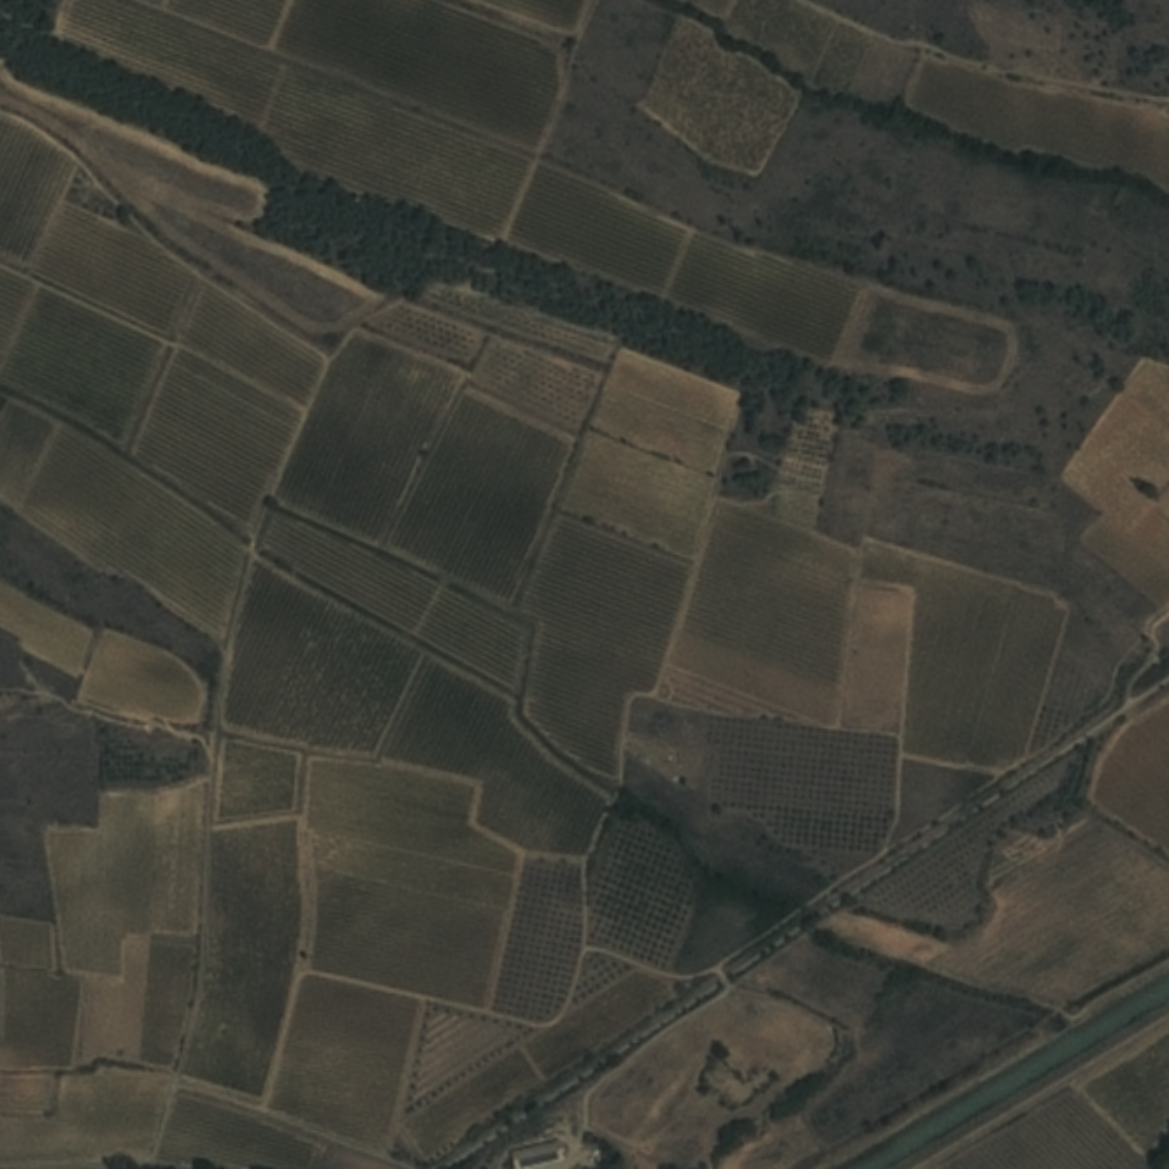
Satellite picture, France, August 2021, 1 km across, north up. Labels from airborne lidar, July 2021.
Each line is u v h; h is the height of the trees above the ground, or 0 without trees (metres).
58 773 0
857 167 0
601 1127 0
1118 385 11
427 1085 0
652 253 0
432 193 0
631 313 12
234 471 0
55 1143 0
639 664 0
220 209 0
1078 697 0
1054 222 0
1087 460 0
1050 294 11
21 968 0
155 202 0
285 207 9
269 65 0
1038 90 0
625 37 0
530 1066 0
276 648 0
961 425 0
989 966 0
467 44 0
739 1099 0
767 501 0
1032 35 0
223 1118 0
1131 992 0
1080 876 0
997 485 0
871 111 8
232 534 0
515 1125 9
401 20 0
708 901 0
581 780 0
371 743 0
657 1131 0
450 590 0
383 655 0
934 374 0
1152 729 0
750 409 13
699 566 0
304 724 0
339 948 0
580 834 0
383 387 0
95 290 0
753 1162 0
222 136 12
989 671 0
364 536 0
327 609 0
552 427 0
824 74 0
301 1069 0
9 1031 0
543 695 0
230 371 0
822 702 0
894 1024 0
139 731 0
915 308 0
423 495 0
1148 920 0
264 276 0
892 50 0
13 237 0
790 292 0
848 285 0
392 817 0
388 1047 0
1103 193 0
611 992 0
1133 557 0
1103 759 0
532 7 0
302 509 0
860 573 0
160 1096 0
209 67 0
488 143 0
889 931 0
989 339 0
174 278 0
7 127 0
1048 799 6
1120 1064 0
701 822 0
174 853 0
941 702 0
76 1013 0
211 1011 0
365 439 0
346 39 0
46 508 0
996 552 0
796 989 0
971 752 0
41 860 0
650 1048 0
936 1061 0
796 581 0
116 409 0
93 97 10
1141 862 0
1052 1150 0
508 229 0
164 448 0
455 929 0
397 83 0
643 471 0
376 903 0
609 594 0
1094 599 0
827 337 0
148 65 0
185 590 0
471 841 0
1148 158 0
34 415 0
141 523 0
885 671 0
